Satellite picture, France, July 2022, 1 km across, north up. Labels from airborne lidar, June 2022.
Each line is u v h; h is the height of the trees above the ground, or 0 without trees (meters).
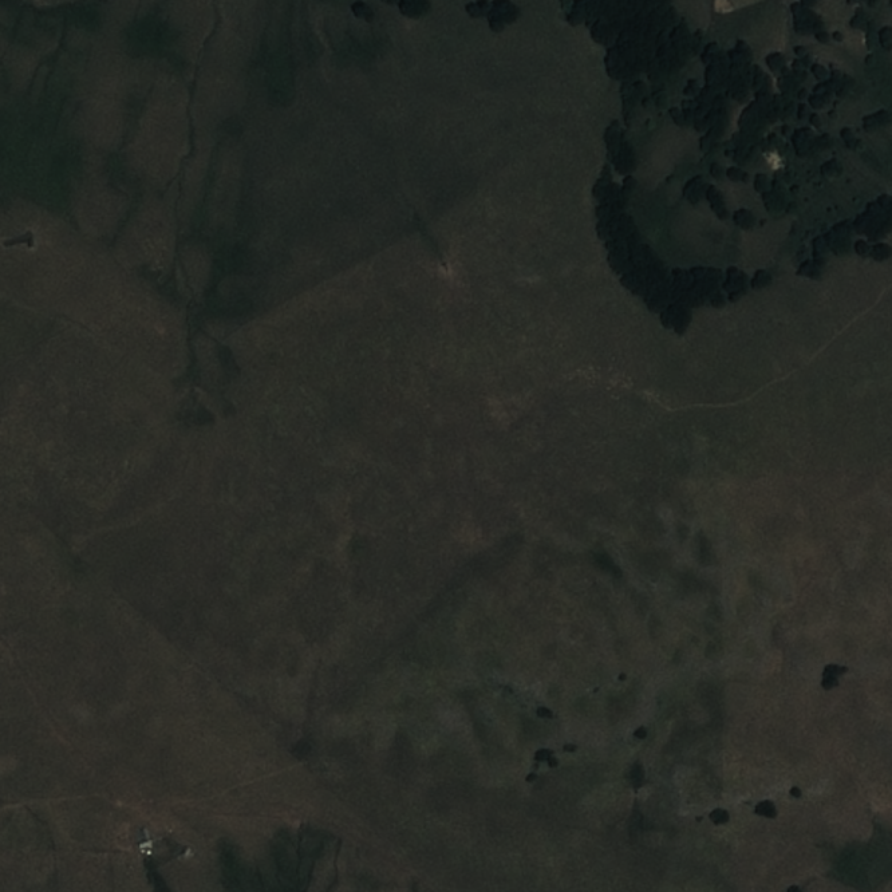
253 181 0
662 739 0
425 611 0
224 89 0
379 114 0
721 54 18
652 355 0
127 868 0
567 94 0
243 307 0
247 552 0
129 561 0
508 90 0
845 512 0
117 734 0
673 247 0
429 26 0
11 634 0
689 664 0
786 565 0
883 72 0
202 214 0
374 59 0
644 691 0
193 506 0
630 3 19
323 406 0
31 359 0
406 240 0
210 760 0
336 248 0
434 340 0
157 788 0
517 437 0
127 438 0
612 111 0
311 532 0
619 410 0
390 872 0
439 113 0
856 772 0
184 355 0
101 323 0
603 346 0
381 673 0
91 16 0
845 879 0
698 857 0
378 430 0
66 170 0
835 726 0
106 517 0
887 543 0
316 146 0
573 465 0
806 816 0
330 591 0
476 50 0
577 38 0
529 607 0
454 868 0
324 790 0
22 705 0
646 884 0
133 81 0
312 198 0
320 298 0
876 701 0
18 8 0
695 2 0
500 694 0
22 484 0
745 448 0
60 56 0
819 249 9
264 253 0
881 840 0
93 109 0
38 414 0
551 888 0
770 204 11
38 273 0
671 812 0
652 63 18
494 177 0
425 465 0
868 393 0
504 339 0
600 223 7
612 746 0
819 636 0
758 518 0
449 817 0
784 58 11
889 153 0
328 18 0
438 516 0
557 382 0
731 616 0
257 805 0
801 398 0
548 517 0
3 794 0
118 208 0
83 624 0
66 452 0
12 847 0
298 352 0
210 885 0
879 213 14
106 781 0
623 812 0
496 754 0
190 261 0
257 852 0
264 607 0
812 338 0
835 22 0
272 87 0
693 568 0
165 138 0
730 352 0
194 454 0
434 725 0
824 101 13
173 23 0
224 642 0
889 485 0
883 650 0
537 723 0
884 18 0
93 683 0
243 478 0
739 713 0
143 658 0
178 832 0
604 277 0
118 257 0
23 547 0
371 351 0
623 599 0
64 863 0
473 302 0
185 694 0
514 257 0
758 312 0
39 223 0
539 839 0
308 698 0
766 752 0
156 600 0
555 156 0
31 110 0
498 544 0
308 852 0
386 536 0
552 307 0
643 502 0
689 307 8
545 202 0
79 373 0
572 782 0
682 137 0
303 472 0
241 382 0
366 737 0
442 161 0
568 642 0
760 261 0
